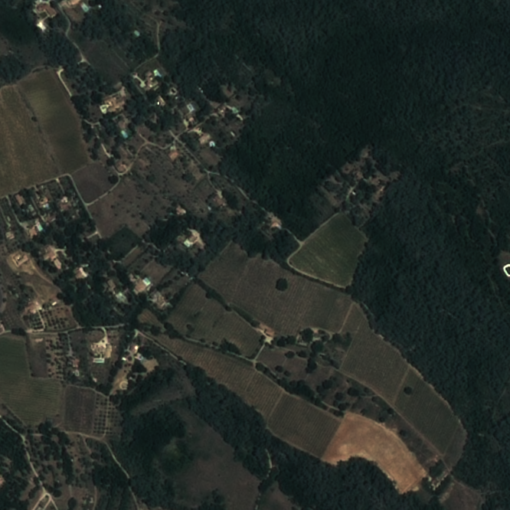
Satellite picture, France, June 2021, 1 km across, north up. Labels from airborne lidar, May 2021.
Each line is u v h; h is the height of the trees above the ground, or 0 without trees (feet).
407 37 22
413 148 26
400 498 29
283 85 44
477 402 34
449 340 62
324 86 21
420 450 0
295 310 0
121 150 0
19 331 35
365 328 0
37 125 0
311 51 43
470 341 61
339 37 48
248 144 35
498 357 66
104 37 48
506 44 37
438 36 44
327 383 42
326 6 61
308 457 33
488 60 64
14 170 0
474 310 66
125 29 37
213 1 62
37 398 0
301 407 0
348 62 27
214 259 54
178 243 52
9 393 0
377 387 0
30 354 0
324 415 0
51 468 44
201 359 0
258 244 25
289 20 55
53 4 57
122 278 44
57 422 0
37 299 0
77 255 46
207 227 61
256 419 70
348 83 22
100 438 0
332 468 71
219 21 64
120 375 0
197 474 0
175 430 43
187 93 58
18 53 27
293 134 36
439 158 41
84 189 0
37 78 0
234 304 0
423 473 0
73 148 0
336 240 0
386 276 50
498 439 48
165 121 55
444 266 63
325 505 64
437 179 39
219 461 0
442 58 32
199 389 48
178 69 53
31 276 0
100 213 0
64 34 31
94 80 47
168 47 57
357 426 0
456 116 44
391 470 0
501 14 45
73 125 0
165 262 60
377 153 59
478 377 57
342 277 0
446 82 61
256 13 44
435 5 60
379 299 37
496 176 37
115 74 0
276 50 42
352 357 0
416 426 0
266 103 50
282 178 21
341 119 27
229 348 44
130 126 53
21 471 27
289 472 36
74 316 39
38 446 26
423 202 81
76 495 0
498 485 24
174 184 0
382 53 36
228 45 21
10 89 0
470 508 0
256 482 0
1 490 37
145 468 33
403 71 67
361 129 26
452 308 57
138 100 67
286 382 29
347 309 0
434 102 34
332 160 37
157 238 39
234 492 0
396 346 54
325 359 25
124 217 0
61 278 48
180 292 23
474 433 35
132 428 58
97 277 52
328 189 62
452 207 53
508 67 67
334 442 0
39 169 0
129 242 0
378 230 20
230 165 51
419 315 54
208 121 32
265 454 58
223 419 65
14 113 0
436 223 32
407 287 64
